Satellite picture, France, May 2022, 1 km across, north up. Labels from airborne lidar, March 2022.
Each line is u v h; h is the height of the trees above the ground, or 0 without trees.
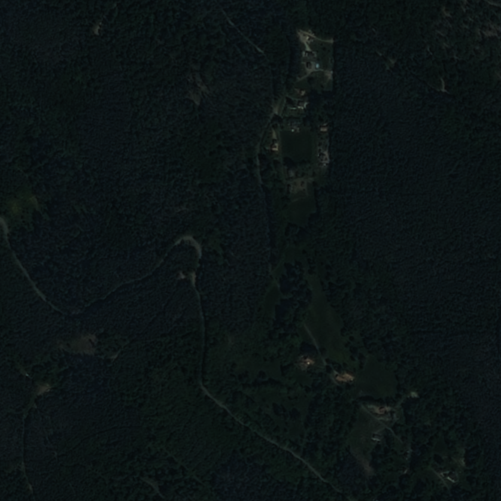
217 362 15
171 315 18
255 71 26
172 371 6
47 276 30
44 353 24
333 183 19
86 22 14
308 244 14
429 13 16
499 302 20
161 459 6
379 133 11
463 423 28
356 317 20
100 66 18
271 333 23
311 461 24
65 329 25
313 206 0
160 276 13
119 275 19
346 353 0
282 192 16
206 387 18
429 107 19
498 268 13
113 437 13
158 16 21
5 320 17
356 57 22
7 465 13
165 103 20
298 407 0
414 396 0
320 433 21
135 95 20
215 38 28
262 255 28
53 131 28
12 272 20
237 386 9
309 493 20
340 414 21
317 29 14
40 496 13
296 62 33
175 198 16
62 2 23
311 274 13
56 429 16
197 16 12
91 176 21
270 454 11
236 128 31
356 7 14
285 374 17
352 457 29
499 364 18
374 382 0
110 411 14
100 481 7
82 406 21
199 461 7
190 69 11
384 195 16
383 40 27
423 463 20
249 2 32
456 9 17
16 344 20
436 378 23
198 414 7
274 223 23
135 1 10
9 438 16
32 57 20
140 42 14
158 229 19
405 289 17
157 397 7
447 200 19
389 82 22
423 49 20
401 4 19
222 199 30
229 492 23
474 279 19
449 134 15
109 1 25
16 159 13
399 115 26
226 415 25
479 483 25
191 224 11
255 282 29
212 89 24
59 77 24
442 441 0
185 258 15
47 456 16
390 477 0
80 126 24
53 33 19
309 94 0
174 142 13
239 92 26
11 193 6
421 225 13
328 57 0
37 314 26
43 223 29
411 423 20
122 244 12
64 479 12
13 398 14
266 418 21
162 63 17
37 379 10
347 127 16
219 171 14
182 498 24
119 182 25
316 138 0
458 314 15
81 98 16
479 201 18
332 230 24
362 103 18
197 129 9
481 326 20
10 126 17
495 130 24
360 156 21
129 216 26
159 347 6
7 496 7
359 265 30
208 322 18
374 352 21
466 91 17
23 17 22
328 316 0
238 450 9
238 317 27
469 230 16
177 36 23
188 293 17
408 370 16
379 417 0
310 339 0
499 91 16
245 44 31
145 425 7
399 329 25
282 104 0
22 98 24
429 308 12
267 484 23
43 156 34
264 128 15
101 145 25
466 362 20
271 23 23
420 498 22
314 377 9
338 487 16
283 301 0
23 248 11
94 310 26
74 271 27
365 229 19
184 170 9
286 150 0
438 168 18
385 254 20
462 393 24
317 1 16
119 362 9
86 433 11
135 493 13
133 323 22
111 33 18
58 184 32
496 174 13
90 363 24
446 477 6
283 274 0
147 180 22
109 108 19
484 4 15
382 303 24
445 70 18
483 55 21
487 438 21
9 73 19
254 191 28
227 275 25
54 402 16
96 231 23
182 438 7
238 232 32
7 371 14
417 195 17
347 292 18
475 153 16
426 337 16
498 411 20
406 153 17
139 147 20
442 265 19
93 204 31
